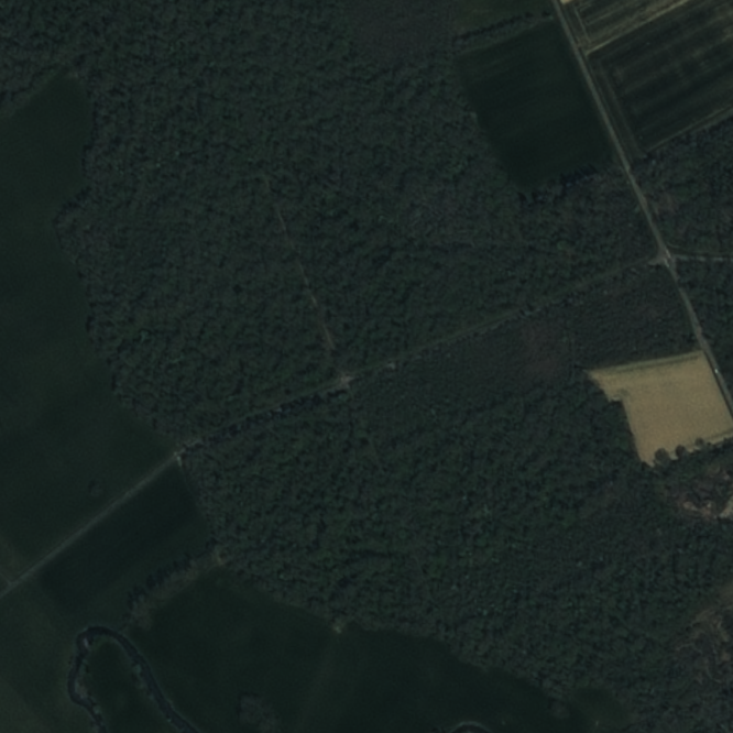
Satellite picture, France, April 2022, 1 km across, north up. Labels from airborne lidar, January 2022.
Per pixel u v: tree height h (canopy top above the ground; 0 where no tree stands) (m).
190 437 21
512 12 0
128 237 15
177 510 0
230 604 0
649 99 0
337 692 0
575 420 23
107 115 23
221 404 18
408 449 27
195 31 21
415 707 0
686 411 0
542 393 22
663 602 20
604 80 0
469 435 26
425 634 22
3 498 0
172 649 0
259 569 22
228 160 19
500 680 0
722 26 0
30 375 0
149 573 0
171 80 31
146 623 16
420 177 24
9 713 0
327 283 13
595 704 0
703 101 0
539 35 0
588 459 27
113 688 0
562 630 24
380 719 0
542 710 0
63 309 0
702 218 24
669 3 0
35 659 0
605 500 28
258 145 24
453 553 14
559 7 0
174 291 25
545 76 0
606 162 0
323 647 0
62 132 0
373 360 21
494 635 21
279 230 23
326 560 28
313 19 24
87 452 0
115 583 0
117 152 15
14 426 0
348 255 18
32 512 0
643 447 0
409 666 0
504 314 20
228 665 0
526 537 19
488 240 7
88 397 0
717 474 22
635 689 17
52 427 0
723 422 0
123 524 0
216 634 0
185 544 0
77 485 0
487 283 24
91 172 16
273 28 22
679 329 0
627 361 8
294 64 26
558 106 0
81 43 28
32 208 0
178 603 0
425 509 29
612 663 23
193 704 0
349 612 23
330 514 24
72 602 0
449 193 20
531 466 23
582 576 17
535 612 24
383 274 27
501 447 23
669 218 23
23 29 24
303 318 21
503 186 21
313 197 17
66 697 0
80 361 0
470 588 14
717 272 23
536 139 0
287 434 23
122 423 0
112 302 17
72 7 19
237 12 23
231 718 0
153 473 0
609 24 0
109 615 0
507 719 0
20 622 0
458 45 17
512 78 0
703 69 0
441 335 22
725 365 0
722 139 20
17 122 0
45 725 0
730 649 6
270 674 0
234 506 23
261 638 0
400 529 23
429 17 0
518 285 22
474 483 23
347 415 22
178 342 27
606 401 17
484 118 0
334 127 26
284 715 0
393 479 18
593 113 0
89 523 0
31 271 0
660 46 0
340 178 29
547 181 0
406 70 27
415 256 24
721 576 7
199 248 23
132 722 0
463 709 0
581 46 0
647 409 0
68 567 0
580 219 24
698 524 26
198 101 27
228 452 23
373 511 21
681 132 0
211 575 0
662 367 0
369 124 26
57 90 0
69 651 0
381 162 21
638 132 0
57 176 0
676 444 0
